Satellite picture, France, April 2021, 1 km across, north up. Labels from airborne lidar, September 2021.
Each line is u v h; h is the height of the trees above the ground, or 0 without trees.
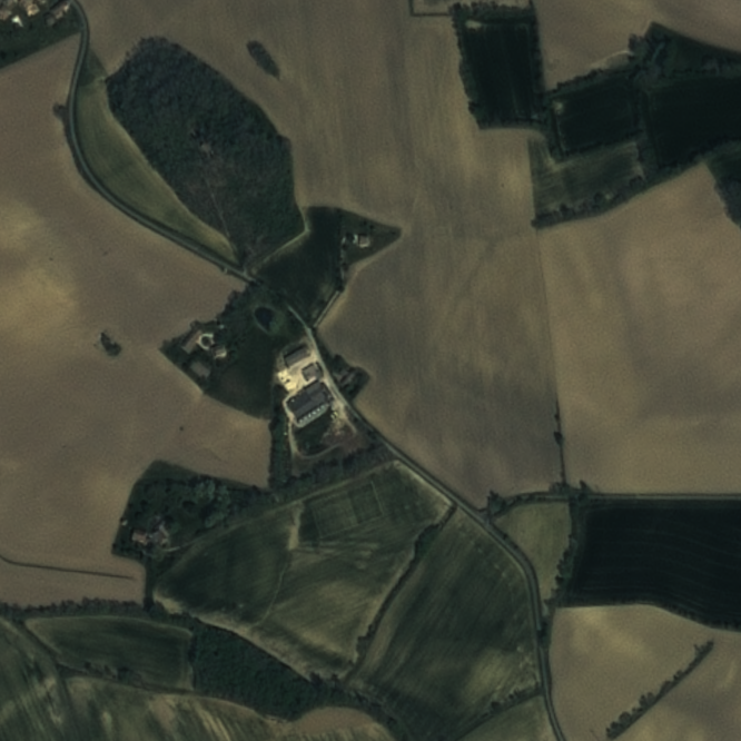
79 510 0
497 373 0
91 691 0
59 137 0
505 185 0
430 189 0
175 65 18
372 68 0
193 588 0
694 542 0
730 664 0
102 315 0
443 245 0
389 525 0
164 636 0
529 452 0
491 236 0
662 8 0
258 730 0
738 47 0
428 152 0
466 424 0
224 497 27
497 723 0
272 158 15
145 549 10
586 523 0
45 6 0
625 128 0
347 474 18
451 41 0
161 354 0
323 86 0
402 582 6
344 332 0
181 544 20
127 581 0
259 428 0
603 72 12
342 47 0
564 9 0
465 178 0
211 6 0
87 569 0
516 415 0
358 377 7
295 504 0
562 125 0
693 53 0
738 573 0
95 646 0
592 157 0
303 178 0
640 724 0
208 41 0
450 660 0
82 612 13
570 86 12
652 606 0
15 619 12
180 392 0
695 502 0
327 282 0
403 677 0
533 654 0
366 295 0
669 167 12
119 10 0
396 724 17
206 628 12
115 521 0
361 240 0
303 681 11
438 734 0
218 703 0
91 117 0
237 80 0
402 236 0
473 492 0
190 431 0
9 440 0
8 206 0
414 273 0
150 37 0
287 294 0
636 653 0
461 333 0
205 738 0
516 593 0
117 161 0
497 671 0
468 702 0
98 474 0
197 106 21
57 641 0
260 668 24
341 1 0
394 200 0
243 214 13
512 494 0
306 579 0
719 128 0
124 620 0
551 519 0
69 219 0
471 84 12
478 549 0
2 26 0
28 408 0
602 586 0
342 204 0
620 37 0
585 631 0
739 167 0
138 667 0
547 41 0
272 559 0
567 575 12
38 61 0
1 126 0
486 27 0
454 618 0
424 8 0
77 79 0
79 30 0
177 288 0
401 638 0
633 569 0
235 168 13
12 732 0
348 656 0
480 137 0
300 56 0
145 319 0
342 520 0
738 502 0
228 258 0
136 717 0
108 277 0
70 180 0
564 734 0
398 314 0
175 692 0
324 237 0
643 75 18
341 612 0
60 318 0
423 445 0
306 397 0
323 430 0
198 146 12
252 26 0
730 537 0
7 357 0
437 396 0
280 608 0
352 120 0
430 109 0
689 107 0
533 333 0
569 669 0
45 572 0
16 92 0
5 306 0
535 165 0
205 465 0
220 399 0
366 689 0
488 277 0
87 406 0
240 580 0
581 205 0
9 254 0
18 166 0
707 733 0
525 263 0
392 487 0
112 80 5
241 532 0
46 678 0
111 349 10
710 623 10
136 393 0
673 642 0
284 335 0
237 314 21
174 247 0
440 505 0
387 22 0
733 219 17
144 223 0
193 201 15
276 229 6
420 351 0
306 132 0
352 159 0
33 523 0
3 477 0
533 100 0
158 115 18
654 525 0
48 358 0
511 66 0
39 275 0
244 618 0
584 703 0
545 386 0
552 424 0
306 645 0
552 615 9
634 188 12
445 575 0
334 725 0
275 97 0
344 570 0
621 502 0
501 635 0
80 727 0
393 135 0
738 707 0
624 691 0
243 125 18
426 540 14
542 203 0
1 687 0
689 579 0
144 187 0
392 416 0
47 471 0
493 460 0
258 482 0
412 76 0
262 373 0
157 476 0
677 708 0
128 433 0
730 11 0
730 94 0
